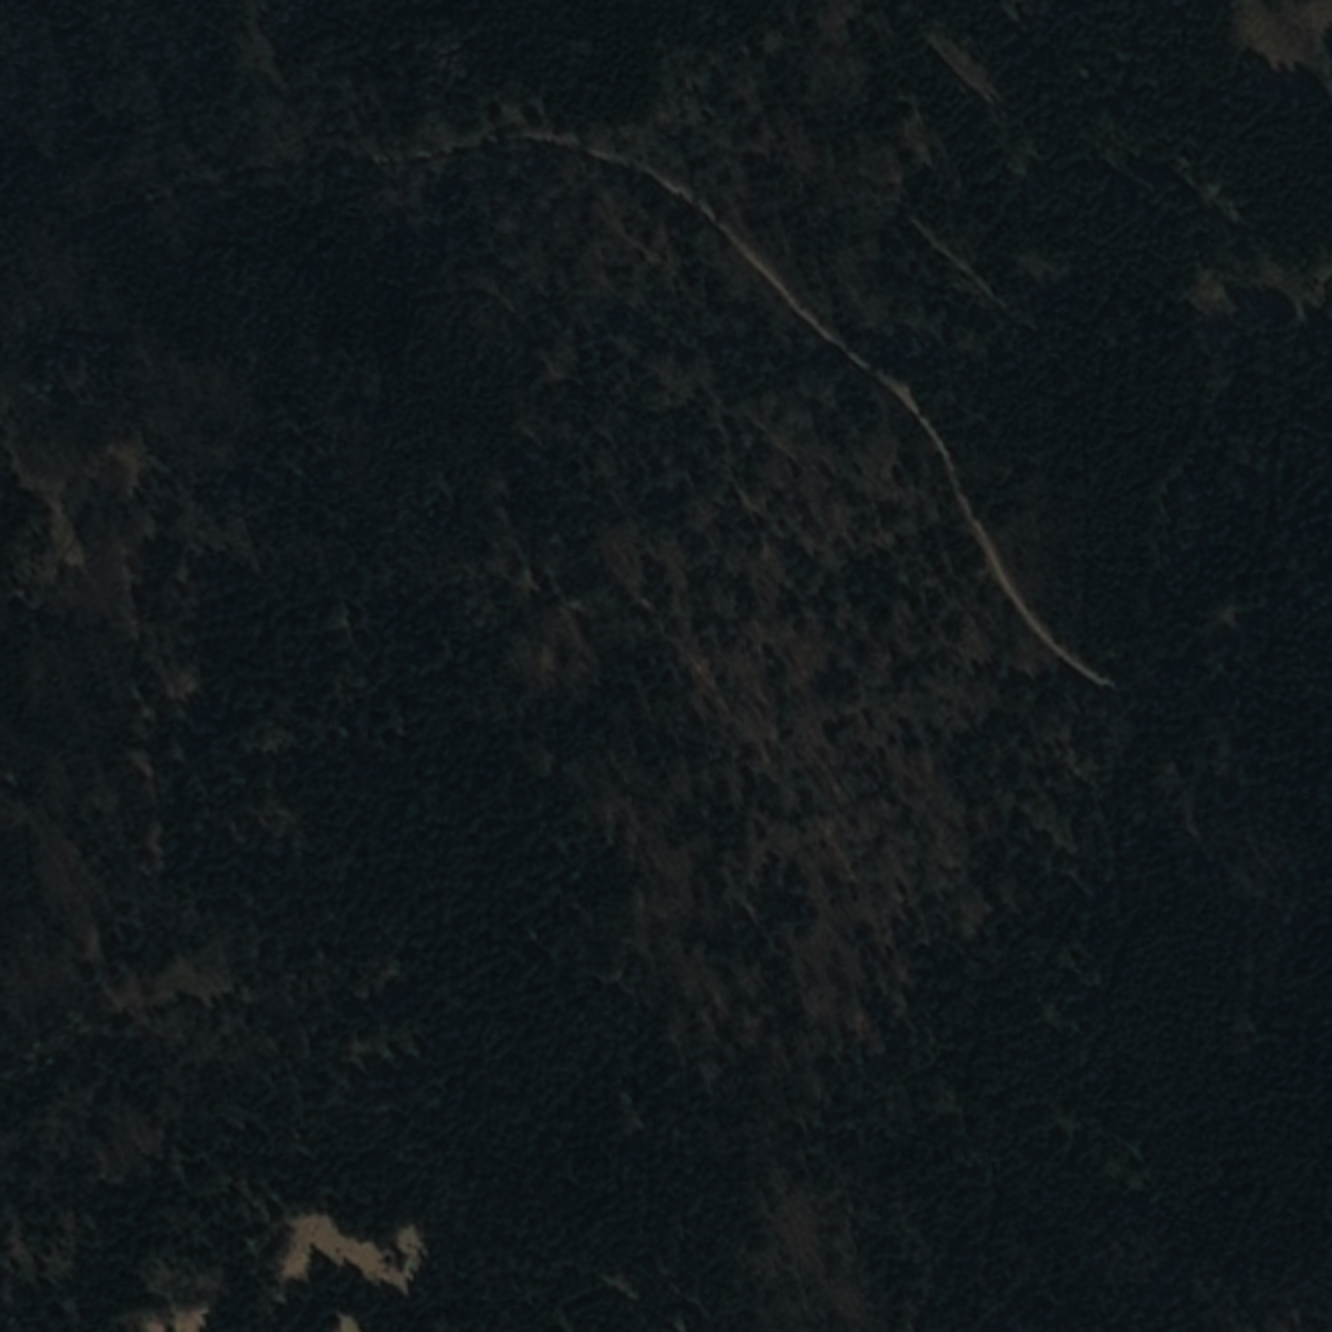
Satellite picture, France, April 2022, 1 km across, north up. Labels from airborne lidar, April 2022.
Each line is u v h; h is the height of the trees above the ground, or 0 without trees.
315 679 20
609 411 12
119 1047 15
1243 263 29
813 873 12
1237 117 37
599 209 13
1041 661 15
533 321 11
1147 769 21
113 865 12
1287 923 20
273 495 23
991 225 22
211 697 16
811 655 9
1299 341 33
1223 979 22
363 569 13
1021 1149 19
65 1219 12
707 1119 14
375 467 19
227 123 23
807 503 12
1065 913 19
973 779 16
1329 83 6
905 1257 16
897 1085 19
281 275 19
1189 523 25
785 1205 26
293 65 30
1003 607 17
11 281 17
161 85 20
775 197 23
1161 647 26
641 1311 8
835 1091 17
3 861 19
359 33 30
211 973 13
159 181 21
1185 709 28
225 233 17
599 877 20
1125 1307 23
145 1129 16
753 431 23
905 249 24
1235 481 21
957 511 18
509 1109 24
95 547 14
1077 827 7
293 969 18
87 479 12
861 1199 18
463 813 26
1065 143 37
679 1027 16
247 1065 14
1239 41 38
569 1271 23
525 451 7
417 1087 29
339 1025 13
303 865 15
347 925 23
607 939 14
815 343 16
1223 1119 16
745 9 17
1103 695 11
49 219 23
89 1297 14
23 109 21
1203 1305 25
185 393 22
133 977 6
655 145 20
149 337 19
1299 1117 19
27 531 10
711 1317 16
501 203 15
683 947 14
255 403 15
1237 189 28
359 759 17
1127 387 23
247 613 16
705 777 11
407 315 18
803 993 13
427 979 24
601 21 16
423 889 25
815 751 27
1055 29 30
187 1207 6
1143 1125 21
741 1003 22
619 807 15
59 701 16
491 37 29
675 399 5
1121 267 24
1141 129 35
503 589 14
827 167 19
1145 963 23
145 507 12
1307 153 30
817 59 25
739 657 25
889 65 13
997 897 11
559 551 14
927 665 9
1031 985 21
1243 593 21
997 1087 16
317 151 20
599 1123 25
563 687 10
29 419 13
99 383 12
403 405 24
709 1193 29
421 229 14
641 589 12
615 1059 17
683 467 16
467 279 18
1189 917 23
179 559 17
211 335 21
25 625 19
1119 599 23
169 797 12
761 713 29
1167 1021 26
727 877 7
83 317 15
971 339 19
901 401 16
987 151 29
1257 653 19
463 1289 20
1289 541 22
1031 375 14
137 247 21
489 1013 24
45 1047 15
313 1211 12
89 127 21
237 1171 11
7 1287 16
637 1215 16
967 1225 19
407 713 6
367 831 18
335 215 22
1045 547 18
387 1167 23
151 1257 11
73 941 11
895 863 36
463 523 19
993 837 10
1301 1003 24
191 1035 13
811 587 21
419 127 20
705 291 7
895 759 13
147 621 13
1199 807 19
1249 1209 23
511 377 21
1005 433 19
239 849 21
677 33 14
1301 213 29
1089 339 21
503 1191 23
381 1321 13
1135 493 24
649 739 14
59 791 15
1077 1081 23
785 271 18
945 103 29
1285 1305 19
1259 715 27
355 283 20
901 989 24
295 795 21
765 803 14
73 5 27
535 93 24
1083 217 37
